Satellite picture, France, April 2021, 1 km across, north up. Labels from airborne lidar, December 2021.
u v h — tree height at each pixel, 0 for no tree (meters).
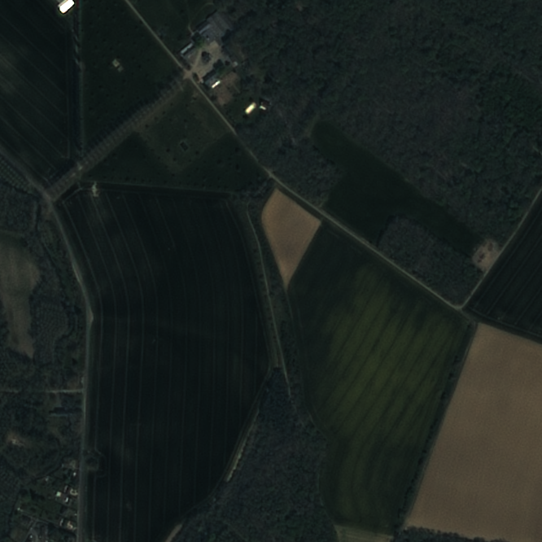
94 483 0
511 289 0
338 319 0
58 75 0
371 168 0
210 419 0
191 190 0
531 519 0
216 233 0
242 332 0
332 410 0
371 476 0
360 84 21
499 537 0
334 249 0
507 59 23
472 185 21
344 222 0
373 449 0
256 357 0
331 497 0
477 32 24
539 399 0
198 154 6
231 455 0
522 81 6
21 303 0
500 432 0
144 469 0
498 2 21
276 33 23
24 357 6
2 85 0
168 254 0
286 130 27
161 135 0
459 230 0
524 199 13
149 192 0
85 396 0
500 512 0
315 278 0
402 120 14
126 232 0
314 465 17
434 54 19
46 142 0
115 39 0
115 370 0
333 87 23
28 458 9
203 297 0
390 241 15
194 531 10
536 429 0
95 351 0
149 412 0
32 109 0
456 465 0
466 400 0
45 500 12
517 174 24
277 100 22
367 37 23
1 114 0
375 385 0
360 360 0
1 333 25
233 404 0
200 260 0
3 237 0
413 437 0
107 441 0
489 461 0
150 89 0
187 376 0
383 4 21
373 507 0
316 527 23
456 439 0
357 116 9
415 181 17
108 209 0
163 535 0
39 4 0
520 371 0
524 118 10
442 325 0
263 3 21
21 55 0
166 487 0
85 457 13
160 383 0
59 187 21
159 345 0
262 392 0
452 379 9
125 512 0
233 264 0
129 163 0
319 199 16
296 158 24
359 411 0
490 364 0
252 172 0
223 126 0
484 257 0
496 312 0
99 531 0
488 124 23
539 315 0
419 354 0
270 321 7
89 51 0
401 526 6
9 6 0
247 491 20
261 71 10
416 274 13
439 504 0
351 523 0
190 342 0
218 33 0
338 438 0
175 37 0
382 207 0
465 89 28
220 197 0
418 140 23
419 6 17
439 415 0
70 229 0
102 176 0
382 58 16
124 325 0
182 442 0
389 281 0
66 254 13
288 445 16
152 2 0
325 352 0
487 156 19
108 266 0
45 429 20
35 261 6
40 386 21
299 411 9
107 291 0
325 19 20
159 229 0
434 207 0
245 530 20
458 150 20
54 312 32
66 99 0
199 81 7
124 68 0
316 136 0
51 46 0
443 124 28
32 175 0
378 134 8
